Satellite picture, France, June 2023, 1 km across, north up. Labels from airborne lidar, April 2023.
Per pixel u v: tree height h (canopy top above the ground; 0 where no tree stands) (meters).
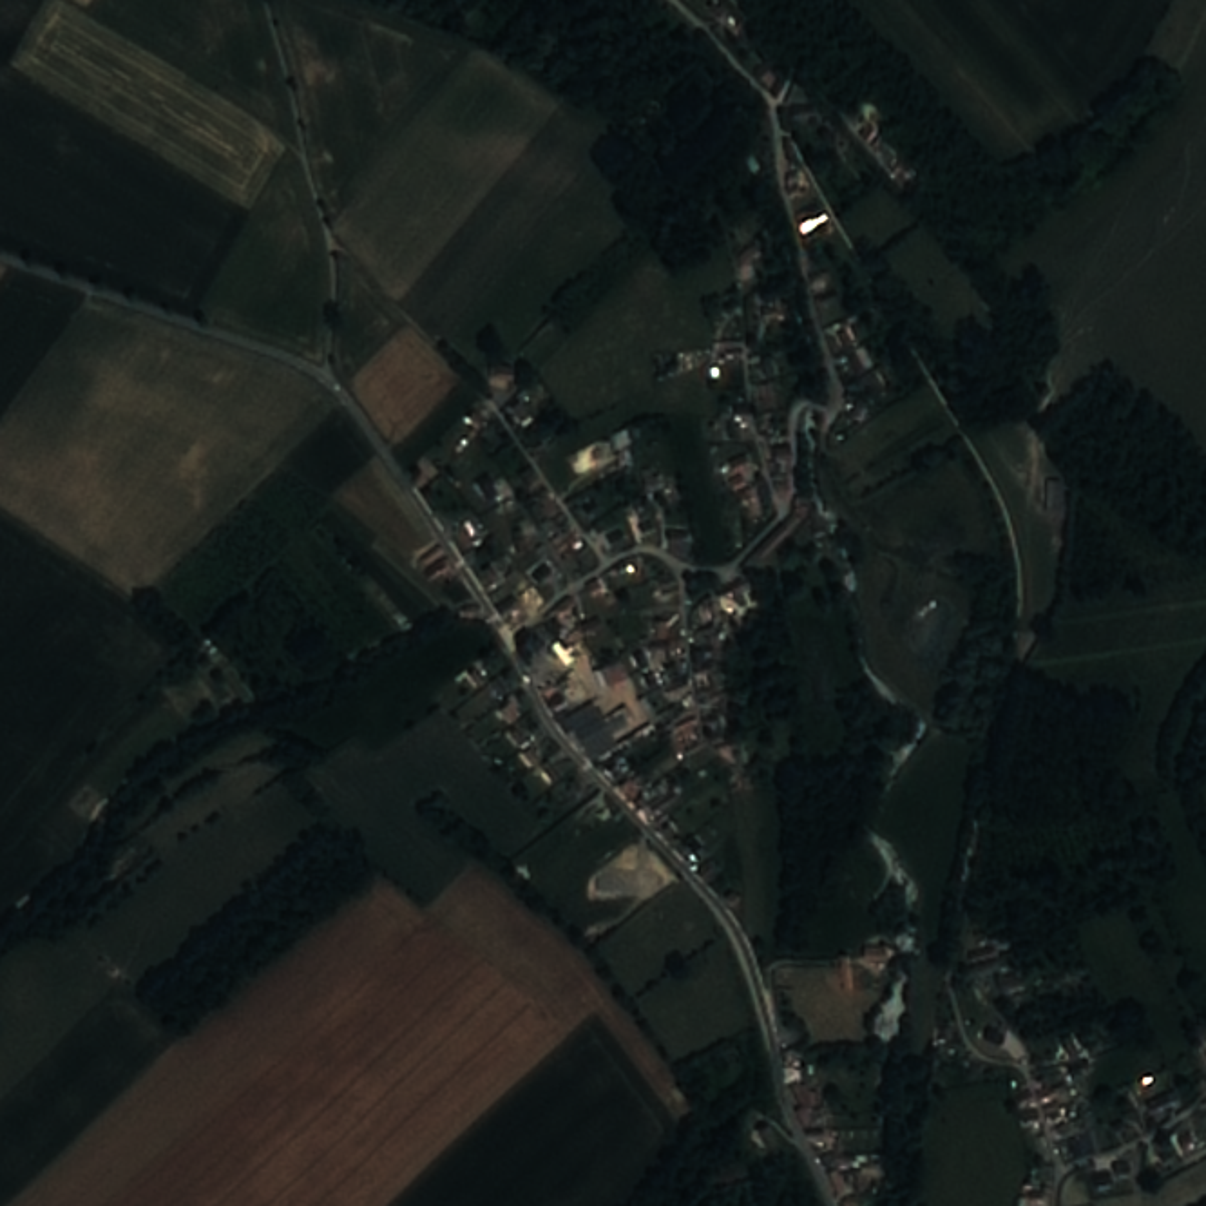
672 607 0
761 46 17
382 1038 0
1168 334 0
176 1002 16
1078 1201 0
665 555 0
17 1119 0
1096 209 0
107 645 0
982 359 32
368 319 0
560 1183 0
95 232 0
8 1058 0
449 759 0
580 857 0
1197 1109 0
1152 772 0
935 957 17
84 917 12
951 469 0
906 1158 13
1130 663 0
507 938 0
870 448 0
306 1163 0
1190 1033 13
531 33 8
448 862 0
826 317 0
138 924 0
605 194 0
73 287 0
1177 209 0
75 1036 0
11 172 0
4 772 0
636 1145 0
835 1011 0
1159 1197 0
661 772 0
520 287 0
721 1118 16
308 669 24
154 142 0
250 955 16
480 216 0
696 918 0
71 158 0
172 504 0
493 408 0
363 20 0
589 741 0
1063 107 0
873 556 0
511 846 0
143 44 0
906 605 0
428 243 0
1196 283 0
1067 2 0
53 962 0
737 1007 0
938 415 0
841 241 0
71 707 0
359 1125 0
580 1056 0
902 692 0
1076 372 0
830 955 0
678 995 0
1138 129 20
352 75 0
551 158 0
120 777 0
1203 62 0
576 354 0
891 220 0
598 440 0
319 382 0
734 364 0
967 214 7
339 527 0
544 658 0
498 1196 0
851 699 8
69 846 0
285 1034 0
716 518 0
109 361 0
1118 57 0
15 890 0
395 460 0
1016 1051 0
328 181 0
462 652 0
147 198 0
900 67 11
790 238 11
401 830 0
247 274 0
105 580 0
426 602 0
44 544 0
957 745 0
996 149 0
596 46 19
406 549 0
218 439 0
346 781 0
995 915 9
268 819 0
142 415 0
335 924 0
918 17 0
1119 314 0
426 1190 0
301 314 0
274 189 0
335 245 0
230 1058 0
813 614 0
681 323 0
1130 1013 21
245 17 0
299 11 0
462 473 0
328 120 0
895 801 0
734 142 36
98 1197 0
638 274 0
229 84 0
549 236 0
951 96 0
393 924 0
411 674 0
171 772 12
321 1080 0
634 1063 0
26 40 0
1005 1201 0
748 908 0
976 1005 0
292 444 0
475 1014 0
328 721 0
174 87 0
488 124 0
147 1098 0
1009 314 16
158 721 0
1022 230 16
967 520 0
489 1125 0
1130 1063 0
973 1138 0
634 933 0
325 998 0
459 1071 0
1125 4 0
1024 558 0
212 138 0
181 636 13
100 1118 0
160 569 0
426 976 0
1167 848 12
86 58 0
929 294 0
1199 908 0
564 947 0
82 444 0
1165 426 17
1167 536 17
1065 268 0
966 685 15
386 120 0
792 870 17
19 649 0
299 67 0
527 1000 0
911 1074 13
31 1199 0
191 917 0
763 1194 20
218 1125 0
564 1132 0
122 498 0
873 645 0
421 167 0
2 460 0
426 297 0
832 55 11
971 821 13
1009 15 0
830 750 0
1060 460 19
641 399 0
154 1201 0
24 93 0
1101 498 18
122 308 0
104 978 0
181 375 0
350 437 0
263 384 0
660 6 8
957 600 0
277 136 0
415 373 0
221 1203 0
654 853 0
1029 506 0
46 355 0
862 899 0
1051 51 0
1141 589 19
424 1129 0
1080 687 0
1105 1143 0
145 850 18
